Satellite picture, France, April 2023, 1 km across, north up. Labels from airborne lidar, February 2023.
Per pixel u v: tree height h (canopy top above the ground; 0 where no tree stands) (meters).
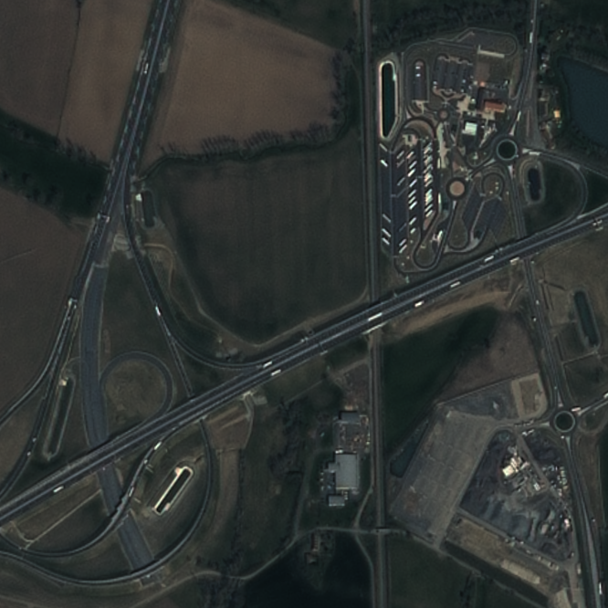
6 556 0
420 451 0
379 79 0
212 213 0
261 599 0
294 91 0
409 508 0
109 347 0
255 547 0
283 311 0
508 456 0
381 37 0
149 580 0
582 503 0
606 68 27
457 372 0
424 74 0
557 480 0
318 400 0
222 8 0
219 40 0
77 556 0
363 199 0
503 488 0
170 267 0
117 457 0
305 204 0
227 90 0
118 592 0
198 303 0
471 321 0
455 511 0
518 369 0
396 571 0
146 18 0
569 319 0
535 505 0
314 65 0
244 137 0
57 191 12
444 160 0
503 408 0
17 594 0
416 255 0
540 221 0
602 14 0
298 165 0
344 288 0
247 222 0
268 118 0
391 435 0
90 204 15
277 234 0
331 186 0
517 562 0
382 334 0
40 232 0
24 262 0
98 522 0
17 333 0
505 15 13
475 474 0
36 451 0
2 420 0
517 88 0
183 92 0
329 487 0
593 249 0
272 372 0
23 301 0
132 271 0
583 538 0
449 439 0
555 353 0
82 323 0
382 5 0
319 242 0
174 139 0
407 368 0
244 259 0
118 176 0
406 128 0
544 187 0
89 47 0
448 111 0
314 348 0
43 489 0
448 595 0
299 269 0
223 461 0
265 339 0
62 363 0
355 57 17
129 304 0
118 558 0
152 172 0
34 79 0
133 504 0
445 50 0
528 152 0
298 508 8
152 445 0
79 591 0
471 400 0
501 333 0
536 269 0
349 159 0
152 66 0
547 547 0
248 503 0
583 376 0
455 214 0
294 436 19
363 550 0
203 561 11
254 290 0
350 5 0
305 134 0
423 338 0
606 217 0
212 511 0
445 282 0
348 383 0
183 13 0
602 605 0
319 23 0
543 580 0
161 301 0
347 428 0
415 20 14
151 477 0
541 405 0
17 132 22
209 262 0
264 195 0
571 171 0
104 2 0
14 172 0
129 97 0
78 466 0
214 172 0
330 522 0
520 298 0
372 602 0
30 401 0
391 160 0
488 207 0
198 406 0
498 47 0
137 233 0
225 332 0
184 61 0
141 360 0
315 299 0
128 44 0
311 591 0
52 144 0
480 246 0
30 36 0
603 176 0
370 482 0
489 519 0
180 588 0
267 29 0
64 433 0
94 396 0
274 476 21
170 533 0
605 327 0
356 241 0
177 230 0
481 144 0
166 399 0
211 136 0
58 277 0
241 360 0
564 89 0
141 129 0
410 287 0
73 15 0
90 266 0
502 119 0
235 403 0
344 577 0
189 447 0
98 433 0
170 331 0
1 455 0
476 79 0
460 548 0
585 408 0
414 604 0
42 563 0
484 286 0
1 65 0
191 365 0
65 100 0
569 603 0
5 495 0
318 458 0
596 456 0
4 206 0
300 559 10
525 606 0
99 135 0
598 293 0
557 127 0
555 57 0
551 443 0
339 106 25
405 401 0
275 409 0
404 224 0
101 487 0
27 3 0
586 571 0
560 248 0
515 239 0
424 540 0
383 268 0
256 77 0
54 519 0
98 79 0
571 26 15
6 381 0
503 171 0
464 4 0
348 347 0
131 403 0
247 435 0
